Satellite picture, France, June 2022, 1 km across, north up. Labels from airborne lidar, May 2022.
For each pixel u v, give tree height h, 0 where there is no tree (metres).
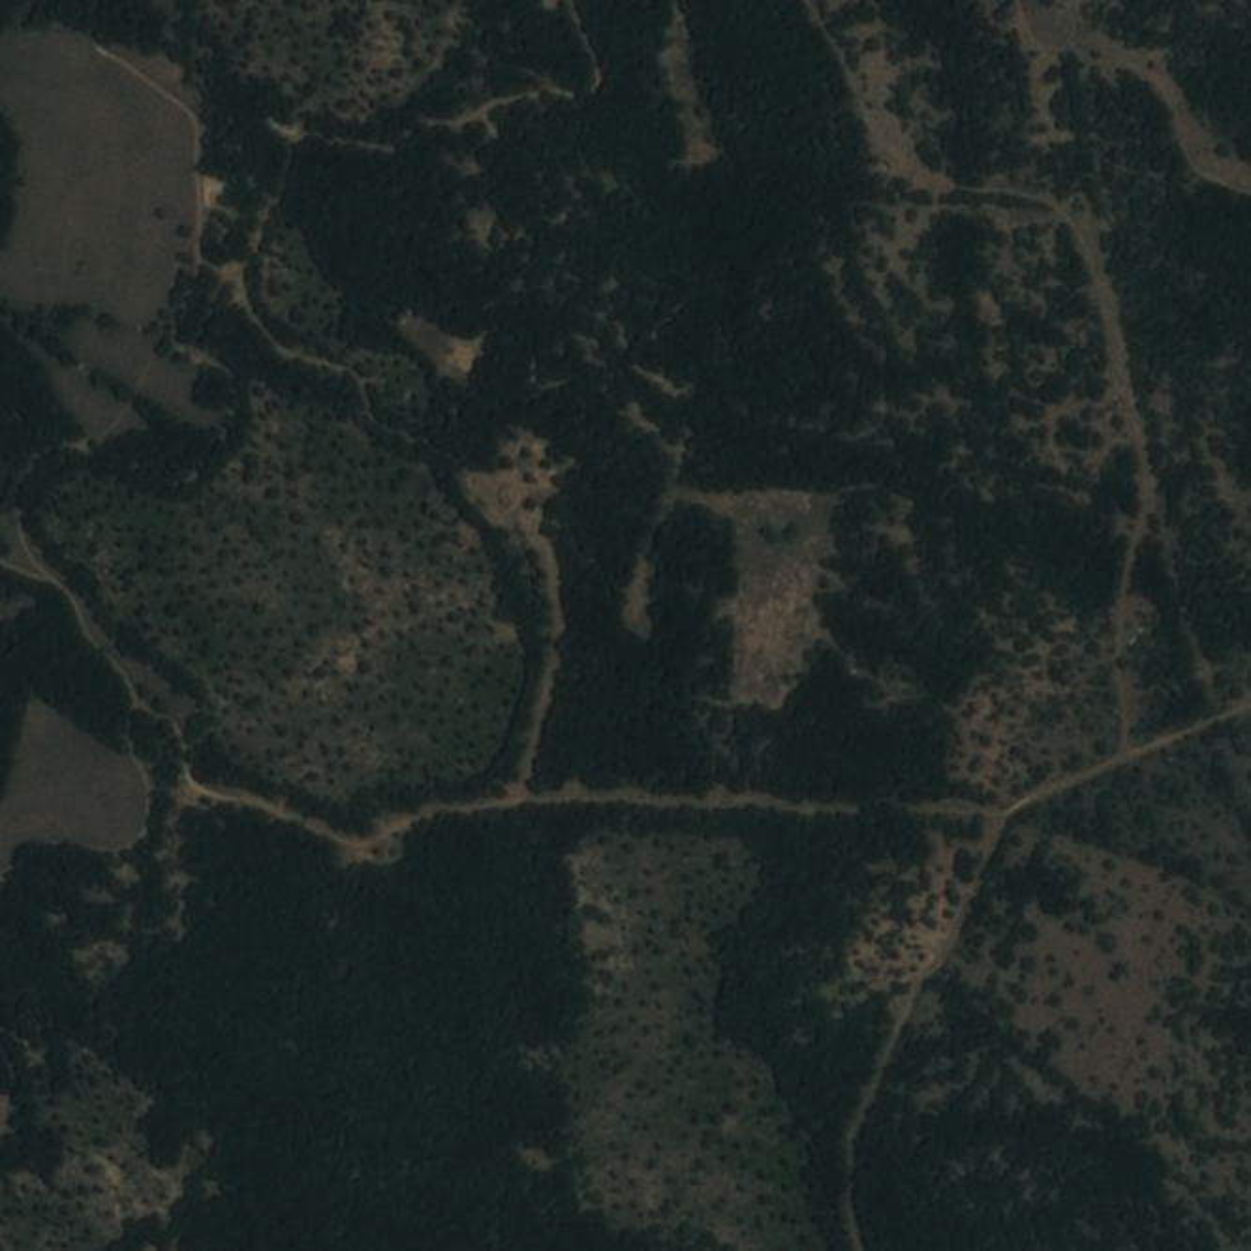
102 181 0
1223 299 9
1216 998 8
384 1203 9
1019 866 6
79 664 13
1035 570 6
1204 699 7
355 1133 11
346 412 12
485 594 13
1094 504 7
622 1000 8
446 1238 11
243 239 12
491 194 8
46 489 9
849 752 10
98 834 0
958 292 7
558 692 11
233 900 11
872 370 6
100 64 0
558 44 10
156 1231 11
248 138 8
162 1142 12
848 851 9
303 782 8
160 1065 12
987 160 7
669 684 15
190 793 0
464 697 0
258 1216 11
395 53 0
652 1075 0
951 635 7
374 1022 11
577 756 15
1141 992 0
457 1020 12
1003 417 6
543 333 10
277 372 11
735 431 9
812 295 6
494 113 8
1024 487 6
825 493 8
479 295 10
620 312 7
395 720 12
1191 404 5
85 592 12
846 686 7
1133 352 7
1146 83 6
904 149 0
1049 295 6
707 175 8
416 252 8
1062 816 9
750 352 13
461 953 13
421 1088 9
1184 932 10
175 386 0
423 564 0
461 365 0
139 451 14
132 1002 12
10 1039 11
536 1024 10
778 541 7
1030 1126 11
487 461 11
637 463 9
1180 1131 7
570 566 9
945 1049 8
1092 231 0
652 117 15
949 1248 10
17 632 9
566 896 9
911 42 7
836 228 6
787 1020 11
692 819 8
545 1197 11
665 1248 6
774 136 12
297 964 9
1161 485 7
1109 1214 9
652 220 13
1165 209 6
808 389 8
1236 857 6
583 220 9
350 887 8
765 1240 0
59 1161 12
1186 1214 8
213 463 14
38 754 0
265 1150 10
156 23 11
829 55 10
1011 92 7
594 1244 16
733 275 9
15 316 7
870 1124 8
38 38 0
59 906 10
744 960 12
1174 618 8
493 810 7
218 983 14
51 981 13
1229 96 9
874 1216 14
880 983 0
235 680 6
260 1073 12
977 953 7
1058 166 6
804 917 9
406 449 11
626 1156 7
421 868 9
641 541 16
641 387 10
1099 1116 10
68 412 8
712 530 6
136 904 9
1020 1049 9
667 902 0
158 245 0
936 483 6
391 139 12
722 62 12
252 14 12
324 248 13
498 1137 11
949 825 8
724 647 6
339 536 0
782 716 9
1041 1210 7
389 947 10
